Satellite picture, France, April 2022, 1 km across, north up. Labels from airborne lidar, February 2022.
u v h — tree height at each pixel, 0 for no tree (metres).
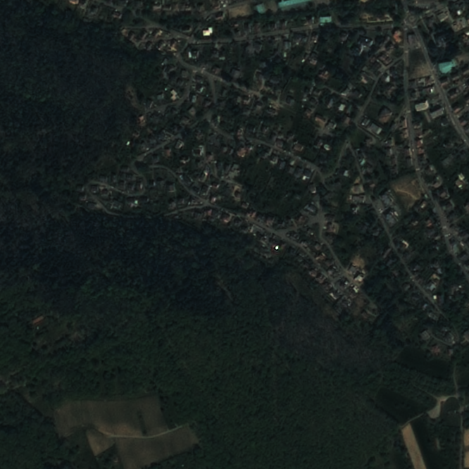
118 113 20
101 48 32
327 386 25
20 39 30
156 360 22
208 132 7
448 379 6
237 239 18
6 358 23
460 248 0
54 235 28
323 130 0
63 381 16
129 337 14
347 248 0
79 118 23
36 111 29
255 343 27
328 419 28
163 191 0
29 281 22
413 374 10
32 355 21
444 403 0
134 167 0
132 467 0
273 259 7
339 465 23
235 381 24
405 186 0
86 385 25
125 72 27
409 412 0
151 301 24
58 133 21
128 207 0
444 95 0
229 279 27
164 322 24
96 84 30
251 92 0
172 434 0
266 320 24
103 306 26
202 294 35
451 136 8
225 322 25
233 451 22
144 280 21
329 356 19
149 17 13
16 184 24
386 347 13
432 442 12
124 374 23
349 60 0
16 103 26
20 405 14
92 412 0
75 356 23
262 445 26
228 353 26
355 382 21
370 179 8
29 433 28
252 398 25
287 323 17
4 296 15
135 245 21
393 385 16
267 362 26
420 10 10
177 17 15
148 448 0
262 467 29
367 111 0
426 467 0
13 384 6
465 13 6
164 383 25
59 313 17
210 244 30
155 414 0
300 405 26
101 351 21
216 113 13
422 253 12
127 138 18
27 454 33
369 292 12
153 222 8
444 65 0
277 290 22
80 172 23
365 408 26
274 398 26
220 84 0
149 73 23
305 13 13
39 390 0
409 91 6
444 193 0
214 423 24
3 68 26
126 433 0
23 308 16
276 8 0
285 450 27
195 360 22
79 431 0
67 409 0
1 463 30
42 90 25
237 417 24
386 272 11
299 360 27
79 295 27
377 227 6
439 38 0
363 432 28
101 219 20
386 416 20
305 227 8
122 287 25
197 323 26
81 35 30
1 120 28
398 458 0
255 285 26
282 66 17
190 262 24
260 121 6
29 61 32
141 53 13
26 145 17
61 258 30
